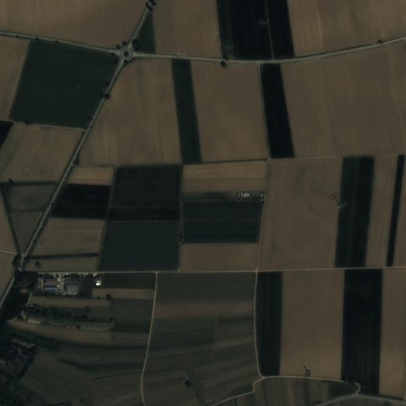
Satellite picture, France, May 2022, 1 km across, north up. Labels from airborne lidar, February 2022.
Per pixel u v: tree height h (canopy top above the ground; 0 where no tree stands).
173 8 0
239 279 0
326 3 0
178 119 0
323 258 0
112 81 0
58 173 0
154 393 0
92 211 0
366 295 0
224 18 0
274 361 0
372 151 0
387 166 0
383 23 0
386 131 0
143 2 0
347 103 0
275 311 0
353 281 0
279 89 0
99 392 0
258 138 0
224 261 0
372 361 0
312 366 0
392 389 0
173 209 0
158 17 0
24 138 0
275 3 0
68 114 0
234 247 0
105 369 0
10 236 0
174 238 0
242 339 0
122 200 0
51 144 0
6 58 0
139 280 0
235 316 0
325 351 0
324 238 0
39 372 0
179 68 0
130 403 0
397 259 0
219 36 0
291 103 0
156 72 0
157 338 0
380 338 0
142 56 0
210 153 0
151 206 0
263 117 0
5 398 7
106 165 0
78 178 0
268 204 0
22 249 0
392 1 0
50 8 0
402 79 0
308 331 0
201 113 0
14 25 0
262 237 0
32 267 0
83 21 0
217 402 0
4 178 0
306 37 0
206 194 0
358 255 0
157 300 0
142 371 0
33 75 0
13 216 0
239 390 0
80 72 0
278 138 0
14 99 0
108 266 0
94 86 0
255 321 0
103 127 0
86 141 0
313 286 0
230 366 0
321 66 0
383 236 0
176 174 0
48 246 0
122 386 0
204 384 0
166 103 0
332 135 0
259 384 0
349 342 0
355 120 0
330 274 0
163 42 0
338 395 0
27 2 0
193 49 0
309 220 0
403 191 0
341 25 0
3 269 0
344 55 0
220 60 0
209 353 0
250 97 0
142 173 0
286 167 0
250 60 0
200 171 0
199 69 0
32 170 0
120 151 0
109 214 0
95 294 0
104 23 0
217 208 0
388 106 0
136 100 0
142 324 0
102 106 0
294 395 0
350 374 0
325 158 0
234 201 0
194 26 0
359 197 0
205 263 0
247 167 0
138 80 0
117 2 0
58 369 0
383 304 0
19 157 0
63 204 0
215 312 0
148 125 0
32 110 0
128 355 0
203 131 0
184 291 0
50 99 0
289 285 0
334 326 0
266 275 0
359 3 0
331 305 0
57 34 0
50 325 0
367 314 0
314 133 0
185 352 0
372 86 0
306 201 0
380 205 0
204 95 0
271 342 0
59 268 0
